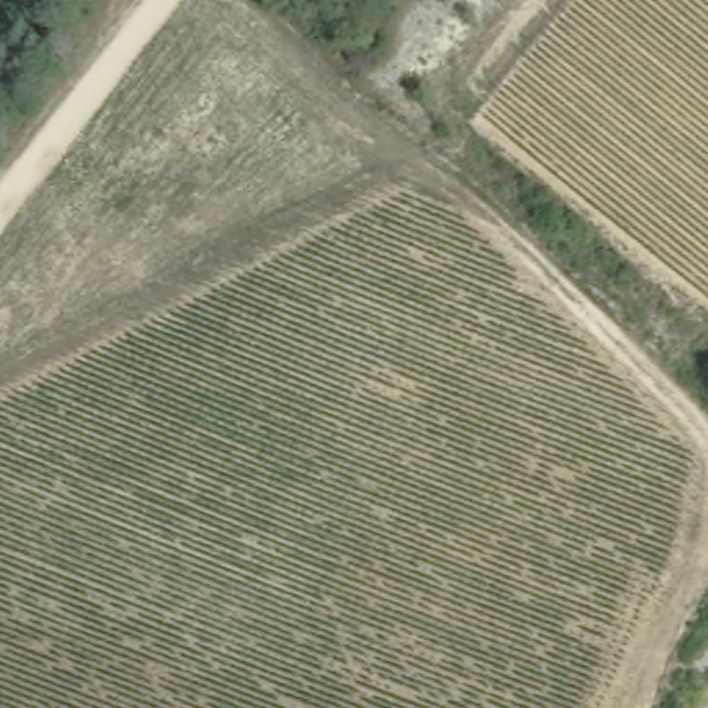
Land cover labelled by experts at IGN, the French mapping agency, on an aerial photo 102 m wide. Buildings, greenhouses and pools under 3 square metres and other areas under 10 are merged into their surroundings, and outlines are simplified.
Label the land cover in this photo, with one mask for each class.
<instances>
[{"label":"vineyard","instance_id":"1","mask_svg":"<svg viewBox=\"0 0 708 708\"><path fill-rule=\"evenodd\" d=\"M481 89L473 94L481 105L473 116V127L478 133L490 144H495L503 152V158L514 160L523 171L534 174L578 216L592 221L600 230V235L628 263L639 268L647 279L658 282L661 288L675 285L694 304L708 310V0H548V6L520 30L517 41H512L503 50V55L484 72V77L478 83ZM694 451L678 440L658 437V418L636 401L633 387H628L617 373H611L597 360V348L586 337L570 332L564 318L548 307V301L514 288V266L506 263L503 252H498L490 243V238L470 227L462 216L443 210L440 202H434L431 196L420 194L407 183L382 185L376 191H368L365 196L351 199L346 210L324 216L318 224L301 227L296 235L271 243L268 249L257 252L254 260L221 268L213 279H205L202 285H188L180 296H171L160 307L147 310L144 318L119 321L111 332H102L100 337L80 343L75 351L61 354L0 384V708H581L586 691H592L595 686H611L614 672L625 655V647L642 620V608L661 584V570L672 553V539L678 531L680 492L689 476V459Z\"/></svg>","mask_w":708,"mask_h":708},{"label":"herbaceous vegetation","instance_id":"2","mask_svg":"<svg viewBox=\"0 0 708 708\"><path fill-rule=\"evenodd\" d=\"M141 0H69L66 17H72V22L50 30L53 50L58 53V58L44 75L25 72L14 83L17 94L25 102H39L44 108L41 116H30L19 127L6 124V119L0 122V171L8 169L28 149L36 133L44 127V122L69 97L75 83L111 44L119 25ZM523 0H418L401 19L395 55L387 58L371 75L346 80L329 72L318 44L304 39L290 19L263 14L249 0H180L169 19L133 58L127 72L119 77L116 89L89 116L80 136L69 144L61 160L33 188V194L0 232V384L61 354L75 351L80 343L100 337L102 332H111L119 321L144 318L147 310L160 307L171 296H180L188 285H202L205 279H213L221 268L254 260L257 252L268 249L271 243L296 235L301 227L318 224L324 216L346 210L351 199L365 196L368 191H376L382 185L407 183L420 194L431 196L434 202H440L443 210L462 216L473 210L487 221H503L484 199H478L456 180V158L478 133L473 127V116L481 105L473 94L481 89L478 83L484 77L476 72L478 58L501 33L506 17L514 8H520ZM669 376L680 360L708 348V310L694 304L675 285L661 288L658 282L647 279L639 268L631 277L628 288H620L608 277H603L600 266H592L584 274H572L570 279ZM708 495V467L705 459L694 451L689 459V476L680 492L678 531L672 539V553L661 570V584L642 608V620L625 647V655L614 672L611 686H595L592 691H586L581 708H655L658 678L667 675V658L683 639L689 620L697 617V606L708 589V567H697V539L702 531V503Z\"/></svg>","mask_w":708,"mask_h":708},{"label":"pervious surface","instance_id":"3","mask_svg":"<svg viewBox=\"0 0 708 708\"><path fill-rule=\"evenodd\" d=\"M180 0H141L119 25L111 44L75 83L69 97L44 122V127L36 133L28 149L8 169L0 171V232L33 194V188L61 160L69 144L80 136L89 116L116 89L119 77L127 72L133 58L169 19ZM548 6V0H523L520 8H514L506 17L501 33L478 58L476 72L484 77V72L503 55V50L512 41H517L520 30ZM470 227L490 238V243L498 252H503L506 263L514 266V288L548 301V307L564 318L570 332L586 337L597 348V360L611 373H617L628 387H633L636 401L658 418V437L678 440L694 451L705 459L708 467V415L669 376L570 279L534 243V238L503 221H487L473 210L462 216ZM697 567H708V495L702 503V531L697 539Z\"/></svg>","mask_w":708,"mask_h":708},{"label":"brushwood","instance_id":"4","mask_svg":"<svg viewBox=\"0 0 708 708\"><path fill-rule=\"evenodd\" d=\"M456 180L478 199H484L503 221L534 238V243L570 279L572 274H584L592 266H600L603 277H608L620 288H628L631 277L639 268L628 263L600 235V230L592 221L578 216L534 174L523 171L514 160L503 158V152L495 144H490L478 133L456 158ZM669 376L708 415V348L680 360ZM655 708H708V589L697 606V617L689 620L683 639L667 658V675L658 678Z\"/></svg>","mask_w":708,"mask_h":708},{"label":"coniferous trees","instance_id":"5","mask_svg":"<svg viewBox=\"0 0 708 708\"><path fill-rule=\"evenodd\" d=\"M69 0H0V122L6 119L8 111L25 102L17 94L14 83L25 72L44 75L58 58V53L53 50L50 30L72 22V17H66ZM263 14L290 19L304 39L318 44L329 72L346 80L371 75L387 58L395 55L401 19L418 0H249Z\"/></svg>","mask_w":708,"mask_h":708},{"label":"deciduous trees","instance_id":"6","mask_svg":"<svg viewBox=\"0 0 708 708\"><path fill-rule=\"evenodd\" d=\"M44 108L39 102H25L8 111L6 119V124L19 127L30 116H41Z\"/></svg>","mask_w":708,"mask_h":708}]
</instances>
